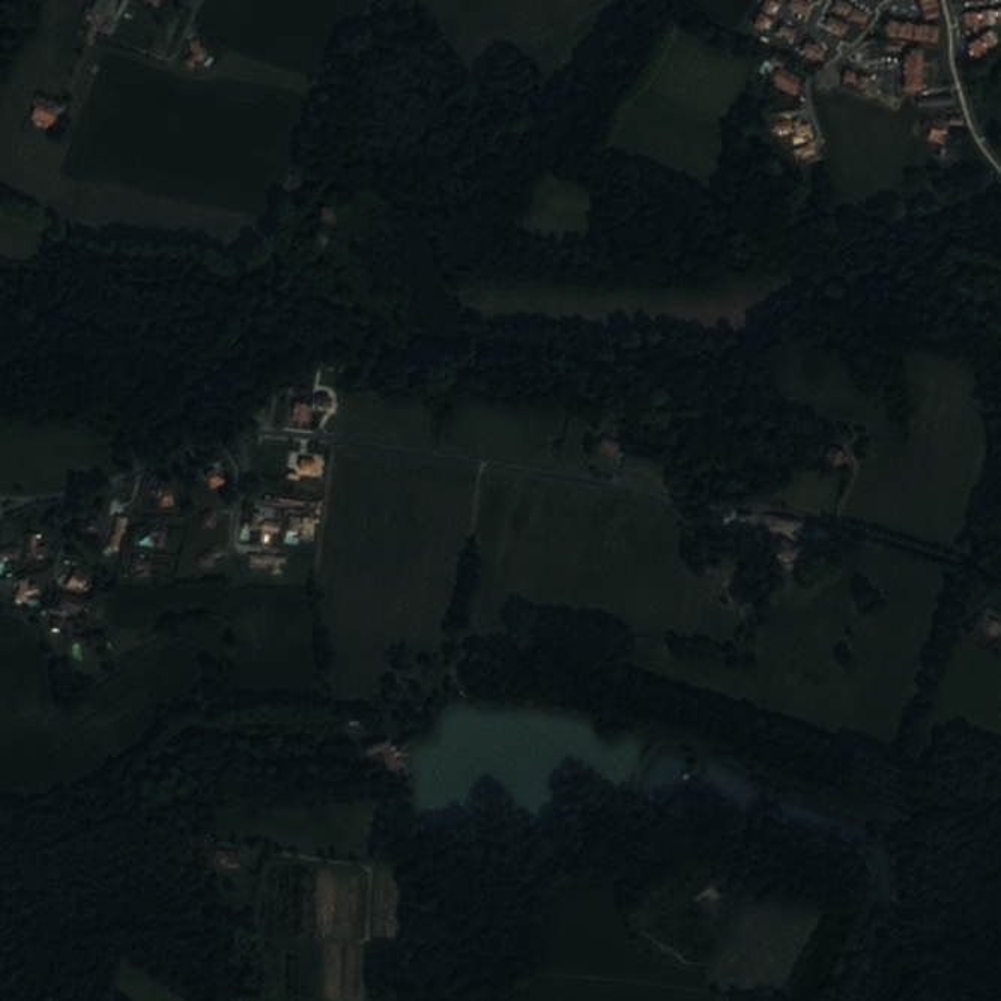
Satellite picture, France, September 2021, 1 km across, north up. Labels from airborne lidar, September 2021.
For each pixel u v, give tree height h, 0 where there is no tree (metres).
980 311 19
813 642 0
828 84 0
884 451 0
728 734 24
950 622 19
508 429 0
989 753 30
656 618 0
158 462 16
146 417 24
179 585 6
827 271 18
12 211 21
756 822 15
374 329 8
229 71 0
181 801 24
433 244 13
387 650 0
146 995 0
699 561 21
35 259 8
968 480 0
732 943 0
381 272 6
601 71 19
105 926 14
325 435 0
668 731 30
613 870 18
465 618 16
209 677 16
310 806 17
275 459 0
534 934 20
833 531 18
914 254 22
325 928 0
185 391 31
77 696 21
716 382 29
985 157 0
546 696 26
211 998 19
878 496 0
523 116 20
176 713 14
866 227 18
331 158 18
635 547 0
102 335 26
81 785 8
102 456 0
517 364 38
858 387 13
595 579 0
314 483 0
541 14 0
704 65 0
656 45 21
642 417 19
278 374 23
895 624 0
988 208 21
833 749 20
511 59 17
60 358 25
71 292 25
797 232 26
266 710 25
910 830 22
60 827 19
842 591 0
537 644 24
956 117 0
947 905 24
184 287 21
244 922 8
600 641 23
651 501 0
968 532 9
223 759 20
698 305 0
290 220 21
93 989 22
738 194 27
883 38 10
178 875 16
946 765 26
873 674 0
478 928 23
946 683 0
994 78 16
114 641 0
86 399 34
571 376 34
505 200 23
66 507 7
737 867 24
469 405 0
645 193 24
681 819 19
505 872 15
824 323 20
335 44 18
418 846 26
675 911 0
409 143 27
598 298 0
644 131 0
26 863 23
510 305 0
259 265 16
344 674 0
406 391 15
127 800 18
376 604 0
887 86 0
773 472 25
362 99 23
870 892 20
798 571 23
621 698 27
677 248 25
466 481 0
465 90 27
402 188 17
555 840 19
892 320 25
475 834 17
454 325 8
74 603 0
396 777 12
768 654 0
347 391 16
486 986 28
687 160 0
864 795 31
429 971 19
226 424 27
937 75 0
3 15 29
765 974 0
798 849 19
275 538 0
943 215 17
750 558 22
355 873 0
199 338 23
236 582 0
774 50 7
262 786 26
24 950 21
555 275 20
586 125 17
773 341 25
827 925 10
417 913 26
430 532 0
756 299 0
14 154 0
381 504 0
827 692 0
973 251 23
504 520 0
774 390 14
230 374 27
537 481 0
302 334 22
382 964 24
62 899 19
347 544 0
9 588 0
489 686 23
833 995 18
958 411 0
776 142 6
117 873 20
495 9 0
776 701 0
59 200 0
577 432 0
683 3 22
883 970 18
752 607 15
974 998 24
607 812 17
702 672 0
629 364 28
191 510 7
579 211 0
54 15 0
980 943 20
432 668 6
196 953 19
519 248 21
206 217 0
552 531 0
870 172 0
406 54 28
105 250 20
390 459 0
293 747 15
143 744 8
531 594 0
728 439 24
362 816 0
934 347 19
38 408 26
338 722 17
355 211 0
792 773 33
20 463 0
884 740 0
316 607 7
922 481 0
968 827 25
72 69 5
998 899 21
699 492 19
